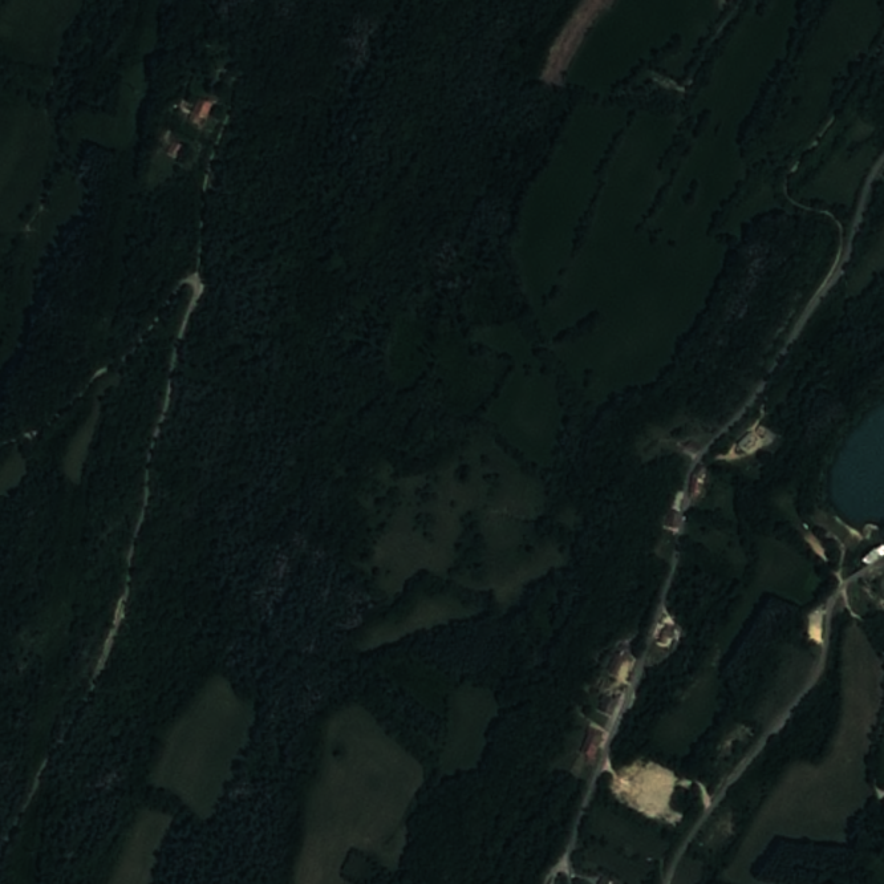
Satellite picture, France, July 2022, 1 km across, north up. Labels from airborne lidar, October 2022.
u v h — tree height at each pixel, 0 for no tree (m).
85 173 18
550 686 16
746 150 15
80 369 13
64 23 0
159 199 13
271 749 21
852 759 0
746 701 11
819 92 0
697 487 0
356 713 0
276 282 16
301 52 29
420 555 0
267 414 11
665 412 9
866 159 0
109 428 16
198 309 8
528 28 7
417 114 17
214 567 20
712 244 0
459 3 18
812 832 0
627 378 0
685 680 17
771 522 19
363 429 18
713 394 12
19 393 23
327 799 0
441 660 19
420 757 8
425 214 22
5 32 0
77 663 11
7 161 0
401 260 24
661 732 0
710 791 7
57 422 18
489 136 16
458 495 0
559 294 11
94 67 26
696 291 0
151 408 10
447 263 30
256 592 32
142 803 6
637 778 0
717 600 7
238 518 27
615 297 0
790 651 0
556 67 0
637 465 11
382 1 32
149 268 11
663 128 0
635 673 0
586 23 0
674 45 16
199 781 0
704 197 0
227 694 0
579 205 0
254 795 7
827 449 19
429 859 17
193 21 12
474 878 17
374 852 0
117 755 27
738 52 0
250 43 14
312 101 22
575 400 6
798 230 15
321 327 14
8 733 16
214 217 20
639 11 0
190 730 0
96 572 6
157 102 19
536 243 0
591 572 14
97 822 22
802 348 16
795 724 9
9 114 0
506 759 18
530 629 18
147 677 16
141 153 14
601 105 9
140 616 14
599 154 0
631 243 0
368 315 17
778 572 0
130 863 0
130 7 30
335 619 20
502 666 19
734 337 19
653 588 19
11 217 0
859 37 0
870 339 25
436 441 18
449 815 17
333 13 19
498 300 7
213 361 9
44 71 7
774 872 28
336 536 18
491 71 21
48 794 11
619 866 0
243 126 24
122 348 17
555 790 20
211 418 26
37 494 12
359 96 23
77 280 21
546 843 11
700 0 0
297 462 20
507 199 17
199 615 22
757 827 0
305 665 31
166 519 11
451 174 20
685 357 12
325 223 11
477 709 0
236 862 17
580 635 15
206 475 20
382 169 19
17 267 7
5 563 10
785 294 6
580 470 18
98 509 12
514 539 0
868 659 0
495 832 15
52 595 11
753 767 6
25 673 10
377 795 0
